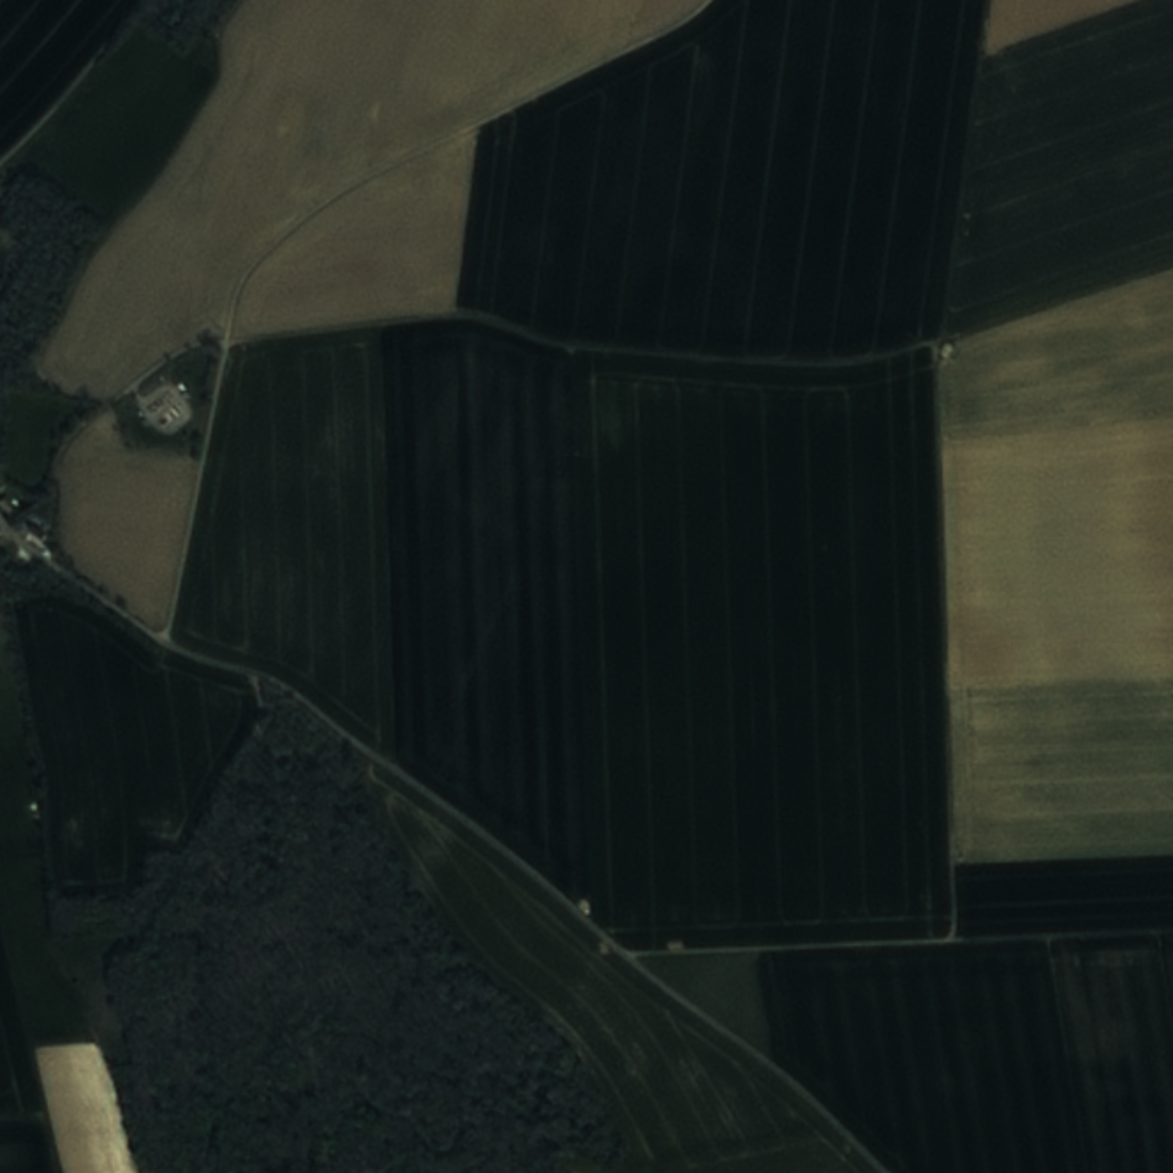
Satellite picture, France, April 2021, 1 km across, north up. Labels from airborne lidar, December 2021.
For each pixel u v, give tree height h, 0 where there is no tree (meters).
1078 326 0
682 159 0
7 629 11
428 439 0
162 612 0
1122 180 0
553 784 0
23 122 0
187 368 0
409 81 0
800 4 0
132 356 0
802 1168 0
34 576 11
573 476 0
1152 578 0
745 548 0
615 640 0
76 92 0
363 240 0
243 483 0
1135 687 0
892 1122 0
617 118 0
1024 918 0
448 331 0
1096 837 0
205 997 18
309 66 0
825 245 0
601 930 0
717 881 0
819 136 0
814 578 0
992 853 0
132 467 0
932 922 0
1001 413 0
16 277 15
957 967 0
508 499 0
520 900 0
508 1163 21
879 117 0
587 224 0
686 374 0
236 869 25
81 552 0
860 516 0
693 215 0
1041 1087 0
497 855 0
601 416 0
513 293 0
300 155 0
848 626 0
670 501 0
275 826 24
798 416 0
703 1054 0
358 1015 24
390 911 27
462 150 0
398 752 0
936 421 0
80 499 0
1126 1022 0
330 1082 21
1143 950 0
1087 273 0
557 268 0
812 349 0
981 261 0
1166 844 0
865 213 0
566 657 0
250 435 0
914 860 0
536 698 0
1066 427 0
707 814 0
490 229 0
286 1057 25
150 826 0
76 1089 0
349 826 22
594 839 0
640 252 0
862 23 0
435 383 0
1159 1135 0
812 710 0
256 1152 20
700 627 0
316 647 0
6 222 15
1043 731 0
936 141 0
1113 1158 0
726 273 0
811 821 0
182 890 23
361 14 0
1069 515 0
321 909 24
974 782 0
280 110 0
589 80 0
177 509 0
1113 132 0
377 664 0
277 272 0
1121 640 0
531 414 0
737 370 0
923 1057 0
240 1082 22
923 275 0
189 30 18
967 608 0
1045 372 0
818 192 0
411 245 0
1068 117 0
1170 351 0
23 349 10
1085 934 0
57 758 0
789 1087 0
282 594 0
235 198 0
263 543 0
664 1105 0
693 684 0
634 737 0
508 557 0
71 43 0
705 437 0
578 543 0
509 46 0
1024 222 0
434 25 0
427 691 0
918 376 0
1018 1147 0
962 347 0
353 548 0
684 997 0
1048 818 0
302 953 24
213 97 0
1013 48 0
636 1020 0
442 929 8
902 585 0
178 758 0
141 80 0
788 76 0
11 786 0
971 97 0
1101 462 0
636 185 0
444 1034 25
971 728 0
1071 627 0
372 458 0
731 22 0
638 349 0
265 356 0
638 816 0
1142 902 0
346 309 0
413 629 0
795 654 0
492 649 0
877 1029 0
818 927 0
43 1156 0
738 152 0
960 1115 0
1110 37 0
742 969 0
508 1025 10
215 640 0
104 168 0
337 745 10
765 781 0
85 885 0
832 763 0
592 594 0
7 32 0
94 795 0
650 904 0
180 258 0
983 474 0
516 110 0
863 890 0
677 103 0
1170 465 0
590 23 0
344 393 0
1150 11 0
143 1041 17
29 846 0
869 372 0
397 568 0
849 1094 0
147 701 0
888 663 0
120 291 0
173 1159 19
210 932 25
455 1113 25
